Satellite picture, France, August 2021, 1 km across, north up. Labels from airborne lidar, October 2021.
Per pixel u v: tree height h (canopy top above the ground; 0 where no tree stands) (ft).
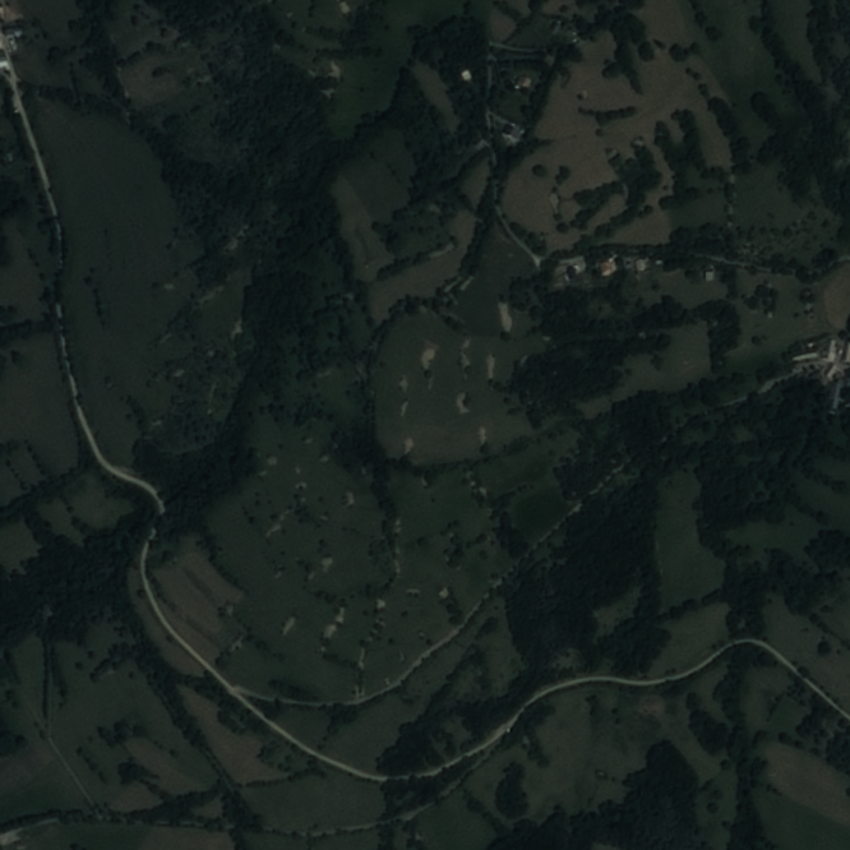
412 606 0
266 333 50
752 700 0
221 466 71
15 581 40
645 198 33
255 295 41
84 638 37
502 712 54
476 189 0
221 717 27
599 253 47
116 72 36
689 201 22
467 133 29
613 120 37
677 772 69
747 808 39
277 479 0
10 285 0
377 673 0
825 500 0
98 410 0
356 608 0
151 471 35
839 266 28
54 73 0
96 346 0
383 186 0
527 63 31
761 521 27
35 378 0
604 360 31
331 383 0
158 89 0
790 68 55
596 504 35
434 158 39
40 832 0
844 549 56
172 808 48
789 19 0
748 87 0
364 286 38
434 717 38
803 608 39
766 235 35
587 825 66
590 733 0
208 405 24
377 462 32
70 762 0
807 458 29
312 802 0
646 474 51
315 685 0
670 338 31
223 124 31
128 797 0
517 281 20
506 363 0
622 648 56
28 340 40
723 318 31
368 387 27
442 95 0
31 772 0
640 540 71
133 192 0
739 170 36
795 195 22
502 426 0
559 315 27
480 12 0
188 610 0
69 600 60
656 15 0
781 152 34
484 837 0
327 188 53
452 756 24
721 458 38
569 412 28
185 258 0
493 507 26
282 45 25
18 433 0
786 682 0
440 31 41
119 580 39
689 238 32
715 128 0
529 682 24
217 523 0
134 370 0
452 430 0
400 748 42
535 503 0
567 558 34
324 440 0
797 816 0
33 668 0
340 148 47
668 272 28
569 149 0
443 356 0
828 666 0
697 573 0
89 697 0
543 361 37
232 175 31
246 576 0
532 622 42
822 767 0
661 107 0
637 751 0
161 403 0
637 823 60
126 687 0
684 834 61
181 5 36
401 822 26
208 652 0
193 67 0
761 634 45
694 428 43
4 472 0
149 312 0
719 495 61
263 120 41
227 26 27
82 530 41
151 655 42
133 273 0
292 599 0
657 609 48
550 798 0
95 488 0
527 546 33
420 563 0
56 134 0
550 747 0
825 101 26
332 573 0
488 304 0
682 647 0
